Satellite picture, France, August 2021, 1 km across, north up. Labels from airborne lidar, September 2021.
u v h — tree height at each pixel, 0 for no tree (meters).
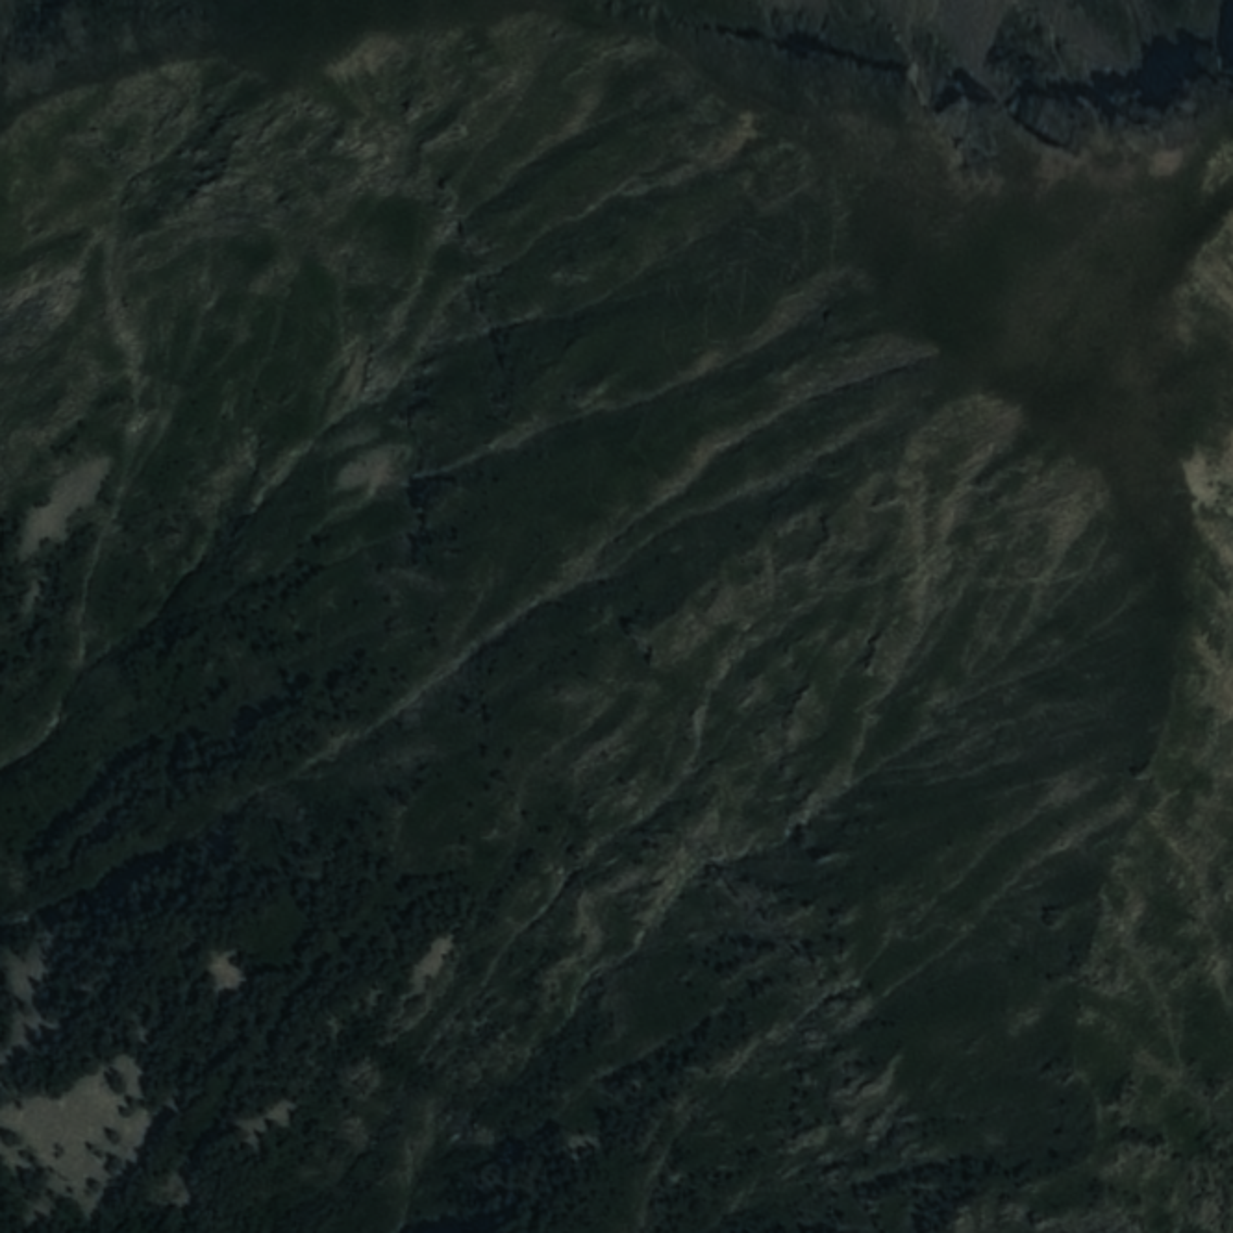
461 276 0
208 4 0
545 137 0
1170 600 0
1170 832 0
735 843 0
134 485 0
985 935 0
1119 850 0
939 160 0
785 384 0
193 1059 13
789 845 0
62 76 0
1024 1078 0
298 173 0
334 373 0
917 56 0
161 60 0
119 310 0
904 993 0
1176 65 0
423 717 0
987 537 0
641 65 0
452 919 14
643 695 0
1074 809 0
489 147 0
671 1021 0
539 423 0
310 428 0
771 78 0
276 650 15
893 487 0
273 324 0
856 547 0
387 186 0
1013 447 0
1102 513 0
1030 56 0
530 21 0
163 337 0
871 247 0
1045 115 0
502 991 0
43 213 0
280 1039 24
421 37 0
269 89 0
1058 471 0
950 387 0
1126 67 0
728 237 0
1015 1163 0
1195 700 0
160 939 25
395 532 0
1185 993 0
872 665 0
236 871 18
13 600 11
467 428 0
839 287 0
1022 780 0
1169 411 0
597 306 0
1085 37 0
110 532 0
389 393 0
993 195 0
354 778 0
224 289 0
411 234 0
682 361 0
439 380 0
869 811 0
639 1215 0
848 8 0
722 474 0
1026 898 0
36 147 0
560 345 0
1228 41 0
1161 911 0
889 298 0
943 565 0
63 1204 12
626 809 0
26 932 8
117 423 0
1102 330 0
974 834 0
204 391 0
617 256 0
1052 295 0
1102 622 0
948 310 0
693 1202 7
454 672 0
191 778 22
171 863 10
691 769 0
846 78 0
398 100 0
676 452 0
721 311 0
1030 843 0
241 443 0
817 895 0
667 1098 9
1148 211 0
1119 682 0
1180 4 0
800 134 0
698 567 0
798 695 0
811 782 0
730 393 0
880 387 0
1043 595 0
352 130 0
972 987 0
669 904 0
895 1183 7
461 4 0
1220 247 0
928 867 0
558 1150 13
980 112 0
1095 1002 0
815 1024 0
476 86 0
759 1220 8
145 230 0
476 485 0
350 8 0
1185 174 0
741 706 0
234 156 0
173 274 0
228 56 0
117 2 0
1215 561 0
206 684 0
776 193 0
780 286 0
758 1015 0
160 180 0
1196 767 0
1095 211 0
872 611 0
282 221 0
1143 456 0
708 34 0
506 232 0
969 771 0
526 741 0
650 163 0
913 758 0
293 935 0
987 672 0
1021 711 0
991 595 0
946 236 0
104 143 0
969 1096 0
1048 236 0
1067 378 0
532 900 0
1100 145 0
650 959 0
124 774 26
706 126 0
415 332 0
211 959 14
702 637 0
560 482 0
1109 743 0
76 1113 0
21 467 0
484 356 0
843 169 0
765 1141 0
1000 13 0
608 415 0
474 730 0
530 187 0
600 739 0
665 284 0
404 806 7
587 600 0
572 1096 0
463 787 0
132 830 25
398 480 0
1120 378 0
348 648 0
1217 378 0
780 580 0
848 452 0
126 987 24
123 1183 8
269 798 0
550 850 0
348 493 0
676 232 0
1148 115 0
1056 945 0
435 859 0
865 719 0
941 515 0
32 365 0
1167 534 0
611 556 0
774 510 0
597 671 0
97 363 0
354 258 0
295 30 0
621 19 0
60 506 0
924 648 0
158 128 0
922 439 0
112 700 0
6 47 0
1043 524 0
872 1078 0
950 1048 0
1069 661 0
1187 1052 0
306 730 12
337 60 0
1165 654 0
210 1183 29
